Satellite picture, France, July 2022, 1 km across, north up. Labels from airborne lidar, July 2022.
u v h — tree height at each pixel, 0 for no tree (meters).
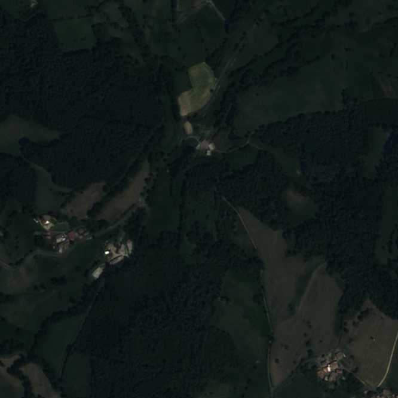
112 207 0
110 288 8
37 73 36
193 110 0
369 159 0
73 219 10
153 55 20
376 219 12
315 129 15
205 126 0
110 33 0
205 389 13
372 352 0
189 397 15
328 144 17
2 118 30
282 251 0
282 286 0
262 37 0
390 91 0
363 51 0
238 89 8
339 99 0
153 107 16
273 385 0
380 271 15
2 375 0
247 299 0
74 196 11
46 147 14
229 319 0
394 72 0
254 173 26
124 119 17
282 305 0
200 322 19
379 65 0
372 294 19
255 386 0
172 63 16
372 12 0
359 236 30
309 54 0
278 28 0
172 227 0
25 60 27
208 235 19
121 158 34
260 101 0
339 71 0
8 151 0
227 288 0
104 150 35
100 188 0
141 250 21
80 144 32
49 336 0
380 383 0
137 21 22
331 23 0
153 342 6
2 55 22
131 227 7
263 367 0
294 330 0
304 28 23
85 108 15
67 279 25
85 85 27
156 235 0
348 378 14
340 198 23
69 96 35
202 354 18
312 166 27
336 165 25
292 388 0
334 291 0
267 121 0
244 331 0
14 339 12
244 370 0
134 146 34
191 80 0
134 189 0
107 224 23
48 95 31
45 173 0
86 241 0
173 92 19
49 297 0
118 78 36
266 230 0
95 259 0
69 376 0
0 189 17
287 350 8
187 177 13
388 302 24
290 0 7
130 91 16
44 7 7
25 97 31
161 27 0
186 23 0
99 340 8
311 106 0
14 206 0
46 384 0
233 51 6
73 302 23
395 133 20
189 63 0
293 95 0
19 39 28
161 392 9
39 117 22
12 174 34
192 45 0
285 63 21
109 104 16
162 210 0
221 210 7
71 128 26
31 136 0
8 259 0
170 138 0
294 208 0
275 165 20
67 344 0
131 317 7
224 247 26
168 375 13
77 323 0
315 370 10
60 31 0
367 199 19
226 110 15
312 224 27
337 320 0
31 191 32
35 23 30
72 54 25
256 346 0
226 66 0
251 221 0
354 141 20
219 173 8
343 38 0
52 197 0
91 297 29
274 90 0
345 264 17
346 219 25
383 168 21
